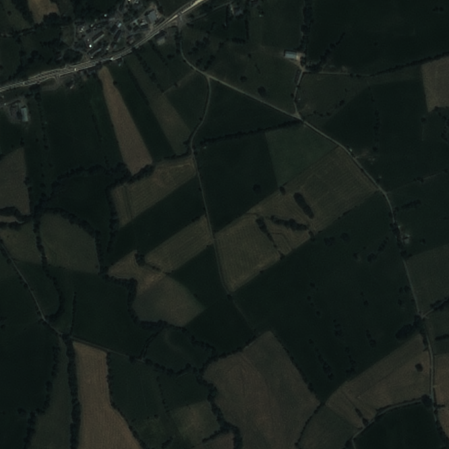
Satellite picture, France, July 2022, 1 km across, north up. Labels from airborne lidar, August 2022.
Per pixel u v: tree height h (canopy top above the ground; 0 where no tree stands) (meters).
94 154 0
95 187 0
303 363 0
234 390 0
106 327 0
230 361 0
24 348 0
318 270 0
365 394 0
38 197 0
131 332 0
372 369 0
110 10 8
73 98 0
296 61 0
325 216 0
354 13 0
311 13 14
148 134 0
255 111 0
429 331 0
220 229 0
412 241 0
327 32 0
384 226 0
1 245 9
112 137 0
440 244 0
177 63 0
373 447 0
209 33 13
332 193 0
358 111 0
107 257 0
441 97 0
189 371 13
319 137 0
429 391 0
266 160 0
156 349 0
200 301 0
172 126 0
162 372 8
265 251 0
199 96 0
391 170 0
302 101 0
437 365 0
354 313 0
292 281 0
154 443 0
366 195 0
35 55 18
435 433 0
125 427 0
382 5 0
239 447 16
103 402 0
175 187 0
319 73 0
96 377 0
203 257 0
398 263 0
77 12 15
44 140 7
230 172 0
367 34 0
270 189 0
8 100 0
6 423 0
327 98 0
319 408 7
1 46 0
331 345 0
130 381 0
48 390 12
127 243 0
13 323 0
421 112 0
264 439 0
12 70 0
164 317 0
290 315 0
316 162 0
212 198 0
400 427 0
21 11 12
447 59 0
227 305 0
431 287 0
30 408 0
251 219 0
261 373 0
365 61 0
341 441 0
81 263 0
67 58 15
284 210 0
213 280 0
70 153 0
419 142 0
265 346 0
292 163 0
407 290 14
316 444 0
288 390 0
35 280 0
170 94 0
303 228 7
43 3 0
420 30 0
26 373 0
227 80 0
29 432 18
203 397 0
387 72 6
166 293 0
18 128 0
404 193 0
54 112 0
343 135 0
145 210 0
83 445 0
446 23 0
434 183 0
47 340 0
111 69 0
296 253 0
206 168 0
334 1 0
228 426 15
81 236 0
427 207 0
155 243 0
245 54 0
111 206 6
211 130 0
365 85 0
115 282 12
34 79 0
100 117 0
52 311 0
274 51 0
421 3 0
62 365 0
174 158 6
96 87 0
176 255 0
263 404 0
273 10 0
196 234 0
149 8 0
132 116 0
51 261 0
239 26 0
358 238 0
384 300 0
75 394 16
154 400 0
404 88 0
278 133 0
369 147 0
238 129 0
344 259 0
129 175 13
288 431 0
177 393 0
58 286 7
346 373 10
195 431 0
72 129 0
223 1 0
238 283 0
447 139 16
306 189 0
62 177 9
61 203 0
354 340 0
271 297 0
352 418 0
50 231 0
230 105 0
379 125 8
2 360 0
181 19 0
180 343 0
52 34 0
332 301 0
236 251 0
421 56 0
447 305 7
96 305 0
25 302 0
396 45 0
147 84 0
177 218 0
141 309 0
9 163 0
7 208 9
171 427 0
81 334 0
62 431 0
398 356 0
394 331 0
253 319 0
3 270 0
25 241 0
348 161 0
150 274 0
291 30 0
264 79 0
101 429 0
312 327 0
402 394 0
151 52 0
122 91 0
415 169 0
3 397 0
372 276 0
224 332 0
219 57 0
